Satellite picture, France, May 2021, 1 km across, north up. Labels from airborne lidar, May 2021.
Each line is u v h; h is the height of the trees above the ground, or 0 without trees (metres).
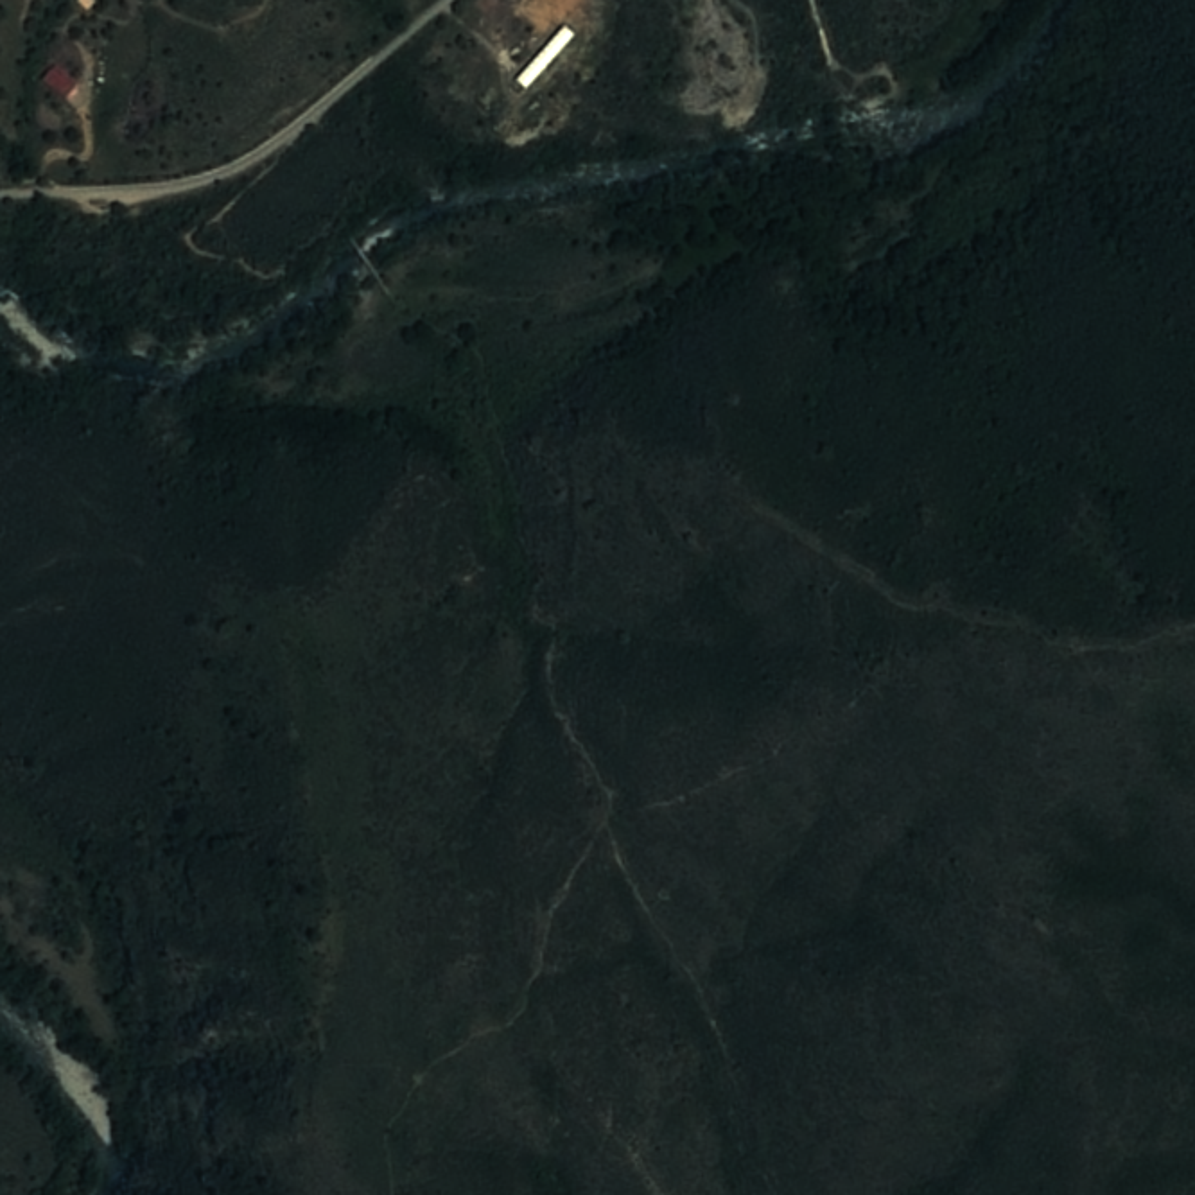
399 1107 0
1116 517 7
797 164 19
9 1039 19
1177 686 0
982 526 11
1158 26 6
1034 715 0
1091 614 6
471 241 8
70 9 11
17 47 0
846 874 0
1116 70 13
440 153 8
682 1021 0
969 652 0
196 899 6
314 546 6
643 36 0
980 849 0
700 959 0
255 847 9
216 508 6
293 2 0
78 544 0
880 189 13
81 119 0
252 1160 7
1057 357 6
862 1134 0
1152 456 5
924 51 8
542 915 0
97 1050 22
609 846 0
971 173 9
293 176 0
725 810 0
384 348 0
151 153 8
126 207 11
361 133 10
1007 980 0
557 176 20
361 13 0
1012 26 20
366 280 7
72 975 0
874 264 15
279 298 18
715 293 14
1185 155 9
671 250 7
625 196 12
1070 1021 0
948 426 5
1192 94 10
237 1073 6
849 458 7
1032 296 7
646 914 0
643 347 16
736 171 10
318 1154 0
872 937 6
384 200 13
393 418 18
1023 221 15
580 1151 0
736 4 0
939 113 0
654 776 0
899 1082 0
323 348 13
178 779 11
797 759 0
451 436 6
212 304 7
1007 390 6
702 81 0
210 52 0
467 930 0
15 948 11
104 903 11
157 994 6
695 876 0
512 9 0
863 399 6
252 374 13
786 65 6
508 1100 0
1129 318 6
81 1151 20
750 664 6
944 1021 0
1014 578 6
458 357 14
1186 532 5
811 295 9
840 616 6
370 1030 0
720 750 0
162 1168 6
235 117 0
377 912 0
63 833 6
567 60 0
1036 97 12
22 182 8
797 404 7
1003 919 0
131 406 10
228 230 0
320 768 0
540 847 0
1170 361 8
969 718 0
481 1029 0
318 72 0
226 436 22
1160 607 10
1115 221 13
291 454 6
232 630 8
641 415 5
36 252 17
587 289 0
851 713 0
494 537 6
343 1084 0
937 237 6
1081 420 6
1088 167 17
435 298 6
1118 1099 0
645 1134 0
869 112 0
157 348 7
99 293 14
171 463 6
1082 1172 0
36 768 27
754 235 14
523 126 0
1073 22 19
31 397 15
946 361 8
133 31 0
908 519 6
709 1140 0
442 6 0
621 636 11
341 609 0
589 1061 0
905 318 18
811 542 0
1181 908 6
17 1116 0
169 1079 6
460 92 0
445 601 8
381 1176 0
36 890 0
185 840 6
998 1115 8
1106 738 0
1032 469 6
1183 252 7
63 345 0
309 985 0
